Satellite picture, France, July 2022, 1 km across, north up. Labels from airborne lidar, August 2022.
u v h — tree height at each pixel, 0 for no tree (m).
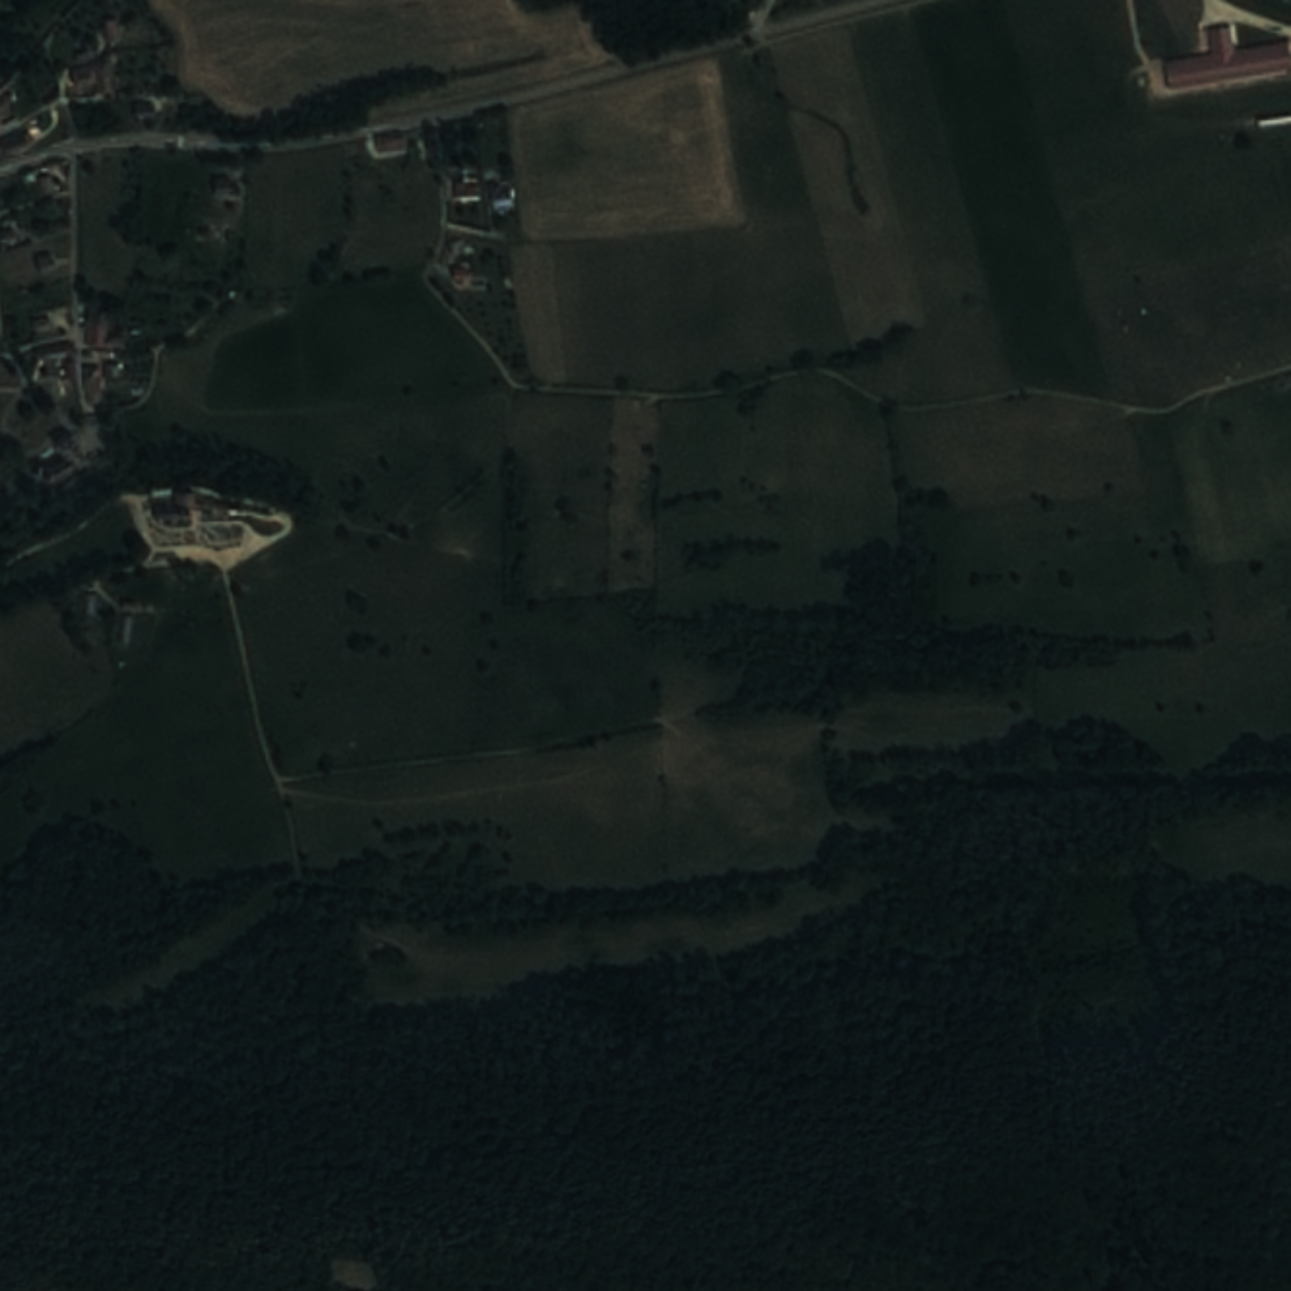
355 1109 24
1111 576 0
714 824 0
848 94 0
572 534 0
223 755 0
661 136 0
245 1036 26
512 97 0
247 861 0
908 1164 20
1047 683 0
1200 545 0
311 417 0
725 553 14
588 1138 27
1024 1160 19
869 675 21
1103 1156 19
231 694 0
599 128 0
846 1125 21
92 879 22
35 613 0
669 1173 22
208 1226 20
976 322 0
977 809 27
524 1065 27
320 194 0
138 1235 15
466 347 0
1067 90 0
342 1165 24
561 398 0
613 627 0
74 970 20
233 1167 22
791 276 0
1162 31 0
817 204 0
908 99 0
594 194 0
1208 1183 19
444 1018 25
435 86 11
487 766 0
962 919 17
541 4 13
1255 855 0
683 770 0
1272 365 0
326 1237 12
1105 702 0
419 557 0
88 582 11
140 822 0
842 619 16
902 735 0
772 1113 29
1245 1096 22
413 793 0
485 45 0
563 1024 30
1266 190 0
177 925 16
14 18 8
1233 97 0
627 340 0
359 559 0
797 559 0
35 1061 25
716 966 19
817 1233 24
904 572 23
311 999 18
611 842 0
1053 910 23
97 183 0
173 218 0
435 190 0
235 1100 30
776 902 16
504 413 0
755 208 0
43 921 23
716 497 8
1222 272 0
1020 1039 31
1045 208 0
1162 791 28
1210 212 0
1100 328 0
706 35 19
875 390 0
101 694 0
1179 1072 28
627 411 0
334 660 0
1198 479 0
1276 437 0
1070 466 0
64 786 0
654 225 0
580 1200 20
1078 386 0
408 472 0
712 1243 20
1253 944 26
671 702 0
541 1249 14
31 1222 18
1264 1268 18
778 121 0
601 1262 19
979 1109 22
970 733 0
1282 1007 26
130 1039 25
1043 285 0
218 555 0
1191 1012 27
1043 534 0
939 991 27
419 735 0
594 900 15
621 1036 13
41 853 21
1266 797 25
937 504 8
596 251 0
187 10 0
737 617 15
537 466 0
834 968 13
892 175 0
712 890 17
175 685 0
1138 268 0
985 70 0
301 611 0
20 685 0
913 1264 23
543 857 0
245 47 0
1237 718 0
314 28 0
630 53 18
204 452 13
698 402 0
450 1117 25
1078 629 0
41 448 0
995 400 0
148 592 0
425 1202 18
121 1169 21
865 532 0
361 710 0
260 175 0
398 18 0
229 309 7
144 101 0
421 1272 9
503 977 0
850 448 0
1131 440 0
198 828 0
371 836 0
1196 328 0
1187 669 0
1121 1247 7
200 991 19
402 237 0
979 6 0
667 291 0
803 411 0
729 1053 32
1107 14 0
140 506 0
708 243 0
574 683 0
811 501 0
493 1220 20
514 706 0
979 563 0
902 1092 24
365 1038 25
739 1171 26
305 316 0
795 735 0
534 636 0
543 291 0
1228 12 0
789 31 0
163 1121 22
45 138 0
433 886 7
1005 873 19
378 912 7
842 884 14
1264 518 0
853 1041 29
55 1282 8
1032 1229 23
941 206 0
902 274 0
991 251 0
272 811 0
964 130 0
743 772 0
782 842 0
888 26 0
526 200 0
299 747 0
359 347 0
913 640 21
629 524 0
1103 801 30
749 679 6
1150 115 0
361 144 0
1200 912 27
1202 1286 23
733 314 0
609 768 0
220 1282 12
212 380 0
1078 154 0
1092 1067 26
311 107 17
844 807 11
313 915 17
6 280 0
